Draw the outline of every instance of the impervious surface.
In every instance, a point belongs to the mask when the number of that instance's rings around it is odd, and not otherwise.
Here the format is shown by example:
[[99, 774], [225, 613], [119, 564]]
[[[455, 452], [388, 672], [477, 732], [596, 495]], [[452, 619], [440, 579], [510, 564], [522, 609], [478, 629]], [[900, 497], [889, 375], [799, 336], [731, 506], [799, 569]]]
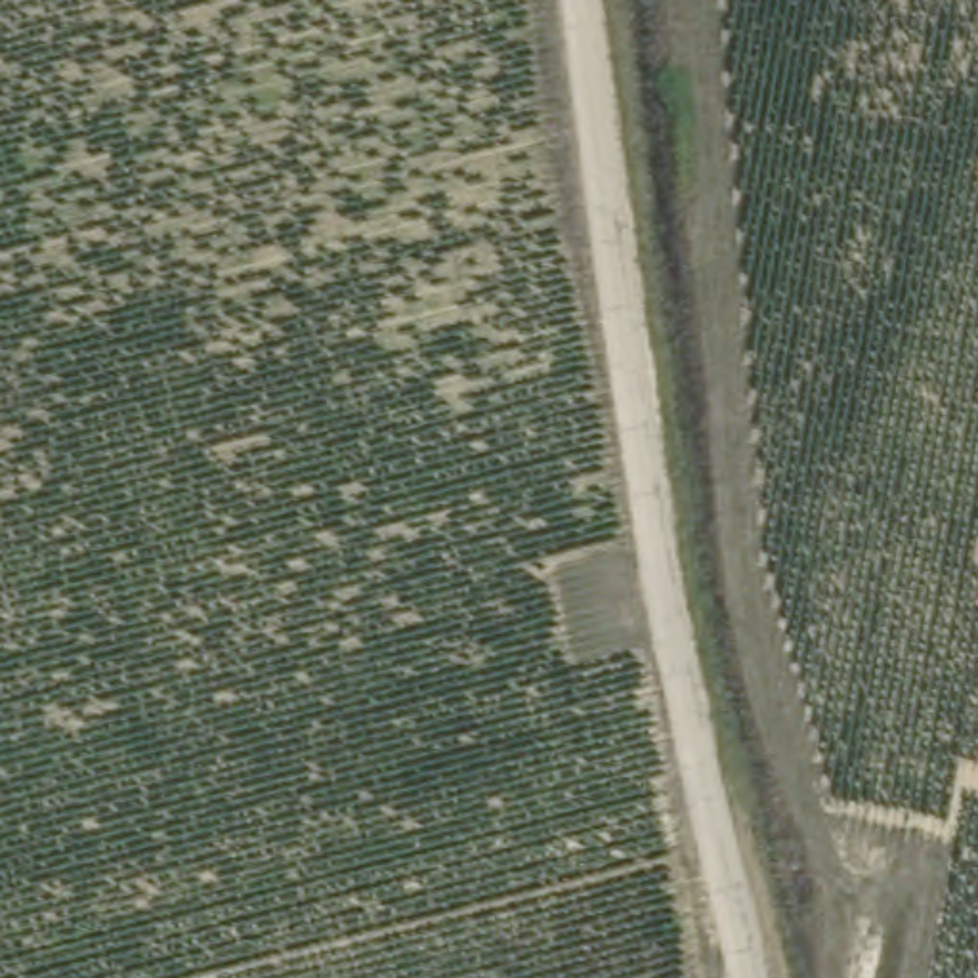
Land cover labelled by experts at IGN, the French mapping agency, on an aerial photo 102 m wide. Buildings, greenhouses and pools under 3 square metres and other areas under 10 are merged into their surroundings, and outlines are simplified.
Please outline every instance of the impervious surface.
[[703, 688], [676, 554], [657, 363], [646, 332], [634, 210], [627, 195], [627, 164], [619, 145], [619, 111], [600, 0], [558, 0], [611, 405], [623, 447], [630, 520], [657, 661], [669, 695], [672, 741], [691, 810], [703, 886], [714, 917], [714, 940], [726, 959], [726, 978], [768, 978], [756, 905], [749, 894], [718, 772], [711, 699]]

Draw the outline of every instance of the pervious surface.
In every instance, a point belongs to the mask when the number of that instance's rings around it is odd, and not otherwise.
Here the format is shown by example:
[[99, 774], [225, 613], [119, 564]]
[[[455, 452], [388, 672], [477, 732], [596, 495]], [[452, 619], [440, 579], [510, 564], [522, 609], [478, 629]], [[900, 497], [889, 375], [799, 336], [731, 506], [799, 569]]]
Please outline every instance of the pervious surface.
[[856, 917], [852, 967], [844, 970], [844, 978], [875, 978], [882, 959], [882, 925], [871, 917]]

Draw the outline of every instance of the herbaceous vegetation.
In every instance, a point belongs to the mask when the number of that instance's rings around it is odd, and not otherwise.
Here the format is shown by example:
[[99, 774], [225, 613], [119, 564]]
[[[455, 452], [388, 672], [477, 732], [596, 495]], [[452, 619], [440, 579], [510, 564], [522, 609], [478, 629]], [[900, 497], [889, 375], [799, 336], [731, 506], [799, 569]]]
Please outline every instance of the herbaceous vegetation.
[[756, 390], [749, 386], [753, 351], [745, 348], [749, 275], [737, 264], [745, 233], [737, 225], [741, 191], [734, 183], [734, 111], [726, 107], [730, 73], [722, 65], [730, 46], [730, 31], [722, 27], [726, 0], [600, 0], [619, 111], [619, 145], [627, 164], [627, 195], [634, 210], [646, 332], [657, 363], [676, 554], [703, 688], [711, 699], [718, 772], [749, 894], [756, 905], [768, 978], [844, 978], [844, 970], [852, 967], [856, 917], [871, 917], [882, 925], [882, 959], [875, 978], [940, 978], [932, 940], [944, 925], [951, 840], [928, 837], [921, 829], [875, 825], [863, 818], [833, 818], [821, 810], [821, 802], [833, 798], [833, 783], [825, 776], [825, 753], [814, 726], [814, 711], [802, 699], [806, 684], [791, 653], [791, 627], [779, 611], [776, 577], [760, 546], [768, 516], [760, 500], [764, 466], [756, 462], [760, 428], [753, 424]]
[[531, 96], [516, 96], [512, 107], [535, 111], [531, 130], [539, 134], [539, 145], [531, 145], [527, 160], [520, 164], [504, 160], [500, 176], [531, 176], [531, 187], [542, 191], [542, 206], [550, 206], [550, 214], [531, 218], [523, 233], [554, 229], [558, 252], [565, 256], [565, 279], [573, 287], [573, 321], [581, 325], [581, 344], [592, 371], [588, 401], [604, 409], [611, 405], [558, 0], [523, 0], [523, 27], [512, 27], [508, 38], [527, 42], [531, 50]]
[[550, 596], [550, 638], [565, 665], [611, 653], [634, 653], [638, 669], [657, 661], [630, 520], [623, 520], [607, 542], [573, 546], [527, 562], [523, 573], [542, 581]]

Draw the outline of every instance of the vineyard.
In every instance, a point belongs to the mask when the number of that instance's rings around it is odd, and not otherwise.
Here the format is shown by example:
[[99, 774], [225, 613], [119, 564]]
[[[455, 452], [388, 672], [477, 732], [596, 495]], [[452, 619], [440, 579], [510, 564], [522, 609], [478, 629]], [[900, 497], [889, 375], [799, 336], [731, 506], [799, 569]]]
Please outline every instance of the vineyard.
[[932, 940], [940, 978], [978, 978], [978, 0], [726, 0], [722, 27], [730, 31], [730, 46], [722, 65], [730, 73], [726, 107], [734, 111], [734, 183], [741, 191], [737, 225], [745, 233], [737, 264], [749, 275], [745, 348], [753, 351], [749, 386], [756, 390], [753, 424], [760, 428], [756, 462], [764, 466], [760, 500], [768, 516], [760, 546], [776, 577], [779, 611], [791, 627], [791, 653], [806, 684], [802, 699], [814, 711], [814, 726], [825, 753], [825, 776], [833, 783], [833, 798], [821, 802], [821, 810], [833, 818], [863, 818], [875, 825], [921, 829], [928, 837], [951, 840], [944, 925]]
[[726, 978], [726, 959], [714, 940], [714, 917], [703, 886], [691, 810], [672, 741], [669, 695], [657, 661], [638, 669], [634, 653], [611, 653], [565, 665], [550, 638], [550, 596], [542, 581], [523, 573], [527, 562], [573, 546], [607, 542], [623, 520], [630, 520], [623, 447], [611, 405], [604, 409], [588, 401], [592, 371], [581, 344], [581, 325], [573, 321], [573, 287], [565, 279], [565, 256], [558, 252], [554, 229], [523, 233], [531, 218], [550, 214], [550, 206], [542, 206], [542, 191], [531, 187], [531, 176], [500, 176], [504, 160], [520, 164], [527, 160], [531, 145], [539, 145], [539, 134], [531, 130], [535, 111], [512, 107], [516, 96], [531, 96], [531, 50], [527, 42], [508, 38], [512, 27], [523, 27], [523, 0], [0, 0], [0, 978]]

